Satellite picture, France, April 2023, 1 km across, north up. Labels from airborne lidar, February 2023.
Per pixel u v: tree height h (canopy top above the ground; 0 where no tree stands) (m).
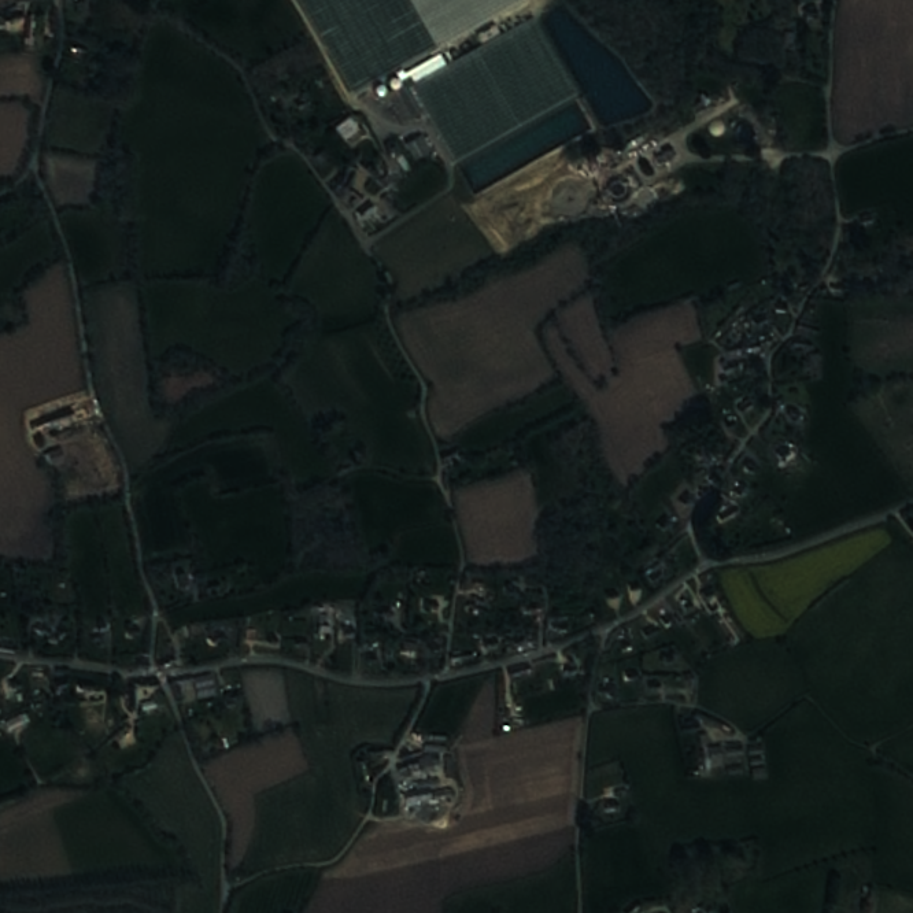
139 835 0
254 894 0
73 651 6
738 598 0
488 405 0
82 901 16
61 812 0
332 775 0
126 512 6
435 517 0
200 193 0
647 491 0
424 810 0
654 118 8
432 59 0
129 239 9
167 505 0
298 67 11
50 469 9
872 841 0
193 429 0
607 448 0
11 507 0
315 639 0
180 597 8
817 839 0
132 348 0
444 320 0
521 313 0
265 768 0
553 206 0
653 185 0
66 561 10
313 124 12
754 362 10
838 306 0
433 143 0
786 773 0
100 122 0
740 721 0
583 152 13
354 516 9
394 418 0
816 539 0
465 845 0
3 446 0
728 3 0
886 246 11
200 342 0
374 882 0
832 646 0
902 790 0
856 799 0
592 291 12
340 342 0
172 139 0
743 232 0
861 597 0
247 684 0
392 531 0
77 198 0
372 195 0
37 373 0
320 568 6
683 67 10
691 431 7
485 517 0
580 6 8
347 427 8
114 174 17
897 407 0
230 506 0
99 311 0
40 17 8
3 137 0
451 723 0
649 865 0
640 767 0
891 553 0
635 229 9
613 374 7
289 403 9
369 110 0
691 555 0
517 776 0
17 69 0
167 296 0
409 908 0
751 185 6
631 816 11
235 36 0
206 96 0
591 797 0
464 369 0
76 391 0
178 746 0
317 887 0
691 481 9
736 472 8
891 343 0
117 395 0
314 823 0
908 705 0
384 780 7
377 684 0
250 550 0
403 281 0
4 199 10
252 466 0
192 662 7
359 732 0
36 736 0
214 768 0
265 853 0
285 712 0
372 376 0
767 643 0
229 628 0
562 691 0
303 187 0
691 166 0
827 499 0
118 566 0
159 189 0
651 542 9
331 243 0
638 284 0
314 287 0
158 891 28
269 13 0
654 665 0
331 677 0
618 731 0
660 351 0
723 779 0
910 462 0
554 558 17
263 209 0
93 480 0
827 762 0
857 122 0
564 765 0
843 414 0
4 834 0
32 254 0
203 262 0
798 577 0
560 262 0
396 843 0
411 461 0
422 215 0
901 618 0
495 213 0
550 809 0
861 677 0
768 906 0
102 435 12
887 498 0
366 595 10
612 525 11
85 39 15
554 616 13
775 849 0
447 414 0
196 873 10
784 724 0
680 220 0
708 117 0
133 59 18
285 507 13
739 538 7
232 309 0
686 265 0
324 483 10
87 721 0
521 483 0
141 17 15
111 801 0
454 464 9
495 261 7
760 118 11
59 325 0
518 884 0
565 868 0
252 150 0
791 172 7
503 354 0
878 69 0
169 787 0
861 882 0
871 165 0
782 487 0
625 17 11
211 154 0
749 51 13
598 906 0
